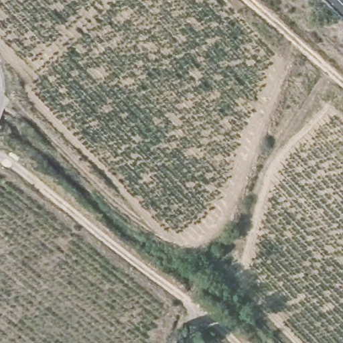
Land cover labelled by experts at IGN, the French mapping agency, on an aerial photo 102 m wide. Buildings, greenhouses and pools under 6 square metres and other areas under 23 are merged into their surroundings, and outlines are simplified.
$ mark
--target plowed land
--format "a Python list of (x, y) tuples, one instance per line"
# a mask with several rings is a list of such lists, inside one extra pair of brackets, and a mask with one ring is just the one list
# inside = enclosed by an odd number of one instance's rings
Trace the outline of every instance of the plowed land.
[(268, 190), (275, 189), (283, 180), (279, 170), (287, 165), (285, 158), (295, 153), (300, 143), (305, 143), (305, 149), (310, 149), (314, 143), (312, 137), (315, 130), (334, 117), (336, 109), (327, 102), (319, 113), (314, 114), (314, 117), (305, 123), (299, 133), (289, 139), (283, 149), (277, 153), (272, 150), (271, 157), (263, 167), (265, 176), (261, 180), (263, 186), (257, 194), (257, 201), (264, 205), (271, 197)]
[(291, 71), (293, 58), (300, 52), (285, 39), (281, 46), (271, 47), (275, 55), (268, 59), (268, 62), (273, 64), (265, 71), (267, 79), (257, 82), (265, 84), (265, 88), (257, 95), (259, 99), (256, 100), (256, 113), (247, 118), (248, 126), (240, 131), (240, 147), (226, 157), (226, 161), (234, 161), (233, 170), (228, 171), (232, 178), (222, 185), (220, 196), (212, 201), (214, 210), (210, 210), (208, 217), (202, 220), (201, 224), (190, 225), (181, 233), (174, 229), (167, 232), (163, 230), (159, 222), (153, 218), (155, 210), (142, 208), (142, 197), (131, 196), (119, 182), (123, 174), (114, 176), (109, 167), (100, 162), (98, 157), (79, 141), (80, 135), (75, 137), (74, 133), (78, 133), (79, 130), (68, 130), (48, 109), (46, 103), (35, 95), (32, 90), (35, 87), (33, 80), (46, 74), (48, 68), (33, 67), (31, 58), (20, 59), (7, 44), (0, 47), (0, 58), (11, 64), (23, 76), (25, 91), (29, 99), (35, 103), (36, 109), (42, 111), (58, 130), (83, 151), (84, 155), (87, 155), (99, 169), (105, 171), (119, 192), (141, 213), (142, 220), (145, 220), (150, 232), (162, 241), (180, 247), (206, 247), (228, 222), (232, 221), (237, 214), (241, 190), (255, 174), (260, 145), (268, 135), (265, 133), (265, 123), (269, 122), (269, 114), (275, 110), (279, 100), (281, 83)]

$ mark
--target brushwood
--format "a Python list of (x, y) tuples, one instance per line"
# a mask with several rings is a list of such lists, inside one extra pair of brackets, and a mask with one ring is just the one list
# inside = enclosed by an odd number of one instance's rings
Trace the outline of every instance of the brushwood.
[(323, 3), (320, 3), (319, 0), (260, 0), (265, 7), (275, 12), (293, 33), (343, 76), (343, 67), (319, 47), (323, 40), (316, 33), (322, 25), (335, 24), (342, 20), (338, 15), (332, 15), (330, 9), (328, 9), (326, 5), (324, 5)]

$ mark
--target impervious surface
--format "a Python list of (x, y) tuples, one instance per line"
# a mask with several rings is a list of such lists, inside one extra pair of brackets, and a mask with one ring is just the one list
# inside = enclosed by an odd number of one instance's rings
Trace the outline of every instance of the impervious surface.
[(343, 0), (319, 0), (320, 3), (323, 3), (324, 5), (326, 5), (328, 9), (330, 9), (332, 15), (338, 15), (342, 20), (343, 20)]

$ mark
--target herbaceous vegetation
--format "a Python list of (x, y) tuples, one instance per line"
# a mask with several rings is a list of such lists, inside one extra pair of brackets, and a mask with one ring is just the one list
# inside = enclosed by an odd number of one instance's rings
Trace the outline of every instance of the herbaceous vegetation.
[(11, 64), (0, 58), (0, 119), (8, 121), (12, 115), (20, 117), (20, 122), (27, 123), (40, 141), (48, 146), (46, 154), (54, 157), (66, 173), (78, 181), (88, 193), (98, 190), (111, 206), (118, 208), (150, 232), (145, 220), (142, 220), (141, 213), (119, 192), (105, 171), (99, 169), (87, 155), (84, 155), (83, 151), (58, 130), (42, 111), (36, 109), (35, 103), (29, 99), (25, 91), (23, 76)]
[(232, 221), (241, 238), (237, 238), (234, 244), (221, 245), (218, 249), (220, 256), (217, 257), (212, 269), (218, 272), (229, 291), (234, 293), (240, 285), (238, 280), (247, 280), (251, 275), (238, 263), (243, 259), (247, 234), (252, 228), (253, 209), (257, 201), (257, 194), (263, 186), (261, 180), (265, 176), (263, 167), (271, 157), (272, 150), (277, 153), (283, 149), (289, 139), (299, 133), (305, 123), (314, 117), (314, 114), (319, 113), (327, 102), (324, 96), (332, 80), (328, 78), (327, 72), (320, 70), (300, 52), (293, 58), (291, 71), (281, 83), (279, 100), (275, 110), (269, 114), (269, 122), (265, 123), (265, 133), (268, 135), (260, 145), (255, 174), (241, 190), (237, 214)]
[(111, 232), (105, 224), (96, 220), (94, 212), (83, 208), (71, 193), (58, 185), (56, 178), (35, 171), (38, 163), (32, 161), (33, 151), (27, 146), (19, 143), (15, 150), (9, 149), (7, 142), (11, 130), (5, 129), (0, 133), (0, 155), (16, 154), (24, 169), (35, 174), (44, 185), (63, 197), (64, 201), (78, 209), (88, 221), (94, 222), (103, 232)]
[(319, 47), (343, 67), (343, 20), (342, 20), (335, 24), (322, 25), (316, 33), (323, 40)]

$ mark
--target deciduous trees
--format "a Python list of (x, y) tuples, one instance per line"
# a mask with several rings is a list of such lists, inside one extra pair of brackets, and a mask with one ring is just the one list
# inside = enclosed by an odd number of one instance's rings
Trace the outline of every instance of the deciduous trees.
[(220, 256), (218, 249), (221, 245), (234, 244), (237, 238), (241, 238), (232, 221), (228, 222), (206, 247), (180, 247), (162, 241), (150, 232), (118, 208), (111, 206), (98, 190), (88, 193), (78, 181), (66, 173), (54, 157), (46, 154), (48, 146), (40, 141), (27, 123), (20, 122), (20, 117), (12, 115), (8, 121), (0, 119), (0, 133), (5, 129), (11, 130), (7, 142), (9, 149), (15, 150), (19, 143), (27, 146), (33, 151), (32, 161), (38, 163), (35, 171), (56, 178), (58, 185), (71, 193), (83, 208), (94, 212), (96, 220), (105, 224), (111, 232), (121, 238), (125, 243), (123, 247), (129, 249), (130, 253), (146, 264), (153, 265), (170, 283), (188, 293), (193, 303), (200, 304), (206, 315), (192, 319), (185, 323), (185, 338), (178, 340), (177, 343), (291, 343), (271, 320), (259, 318), (257, 315), (253, 318), (252, 308), (241, 303), (234, 293), (229, 291), (218, 272), (212, 269), (217, 257)]

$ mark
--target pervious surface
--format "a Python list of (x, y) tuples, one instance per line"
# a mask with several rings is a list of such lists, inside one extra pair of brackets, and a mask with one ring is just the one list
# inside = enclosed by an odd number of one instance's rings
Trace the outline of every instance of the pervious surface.
[(123, 259), (181, 300), (188, 310), (189, 318), (192, 319), (206, 315), (200, 304), (193, 303), (188, 293), (170, 283), (153, 265), (146, 264), (130, 253), (129, 249), (123, 247), (125, 243), (121, 238), (111, 232), (103, 232), (94, 222), (88, 221), (78, 209), (64, 201), (63, 197), (44, 185), (35, 174), (24, 169), (16, 154), (0, 155), (0, 163), (17, 171), (29, 184), (35, 185), (44, 196), (70, 213), (80, 225), (109, 245)]
[(328, 78), (332, 80), (343, 87), (343, 76), (293, 33), (275, 12), (265, 7), (260, 0), (243, 0), (249, 8), (277, 28), (285, 39), (300, 52), (320, 70), (327, 72)]

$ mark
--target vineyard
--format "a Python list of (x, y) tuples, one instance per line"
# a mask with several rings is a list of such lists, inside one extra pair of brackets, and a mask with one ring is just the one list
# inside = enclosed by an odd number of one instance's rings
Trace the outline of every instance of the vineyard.
[(305, 143), (300, 143), (295, 153), (285, 158), (287, 165), (279, 170), (283, 180), (275, 189), (268, 190), (271, 197), (264, 205), (257, 201), (253, 209), (252, 228), (247, 234), (243, 259), (238, 263), (251, 275), (247, 280), (238, 280), (240, 285), (234, 293), (241, 303), (252, 308), (253, 318), (257, 315), (259, 318), (271, 320), (291, 343), (343, 343), (343, 87), (332, 80), (324, 96), (327, 102), (336, 109), (334, 117), (315, 130), (312, 137), (314, 143), (310, 149), (305, 149)]
[(35, 185), (29, 184), (17, 171), (0, 163), (0, 343), (177, 343), (178, 340), (185, 338), (185, 323), (192, 319), (189, 318), (188, 310), (181, 300), (123, 259), (109, 245), (80, 225), (70, 213), (44, 196)]
[(240, 147), (240, 131), (248, 126), (247, 118), (256, 113), (256, 100), (259, 99), (257, 95), (265, 88), (265, 84), (257, 82), (267, 79), (265, 71), (273, 64), (268, 62), (268, 59), (275, 55), (271, 47), (281, 46), (285, 39), (277, 28), (249, 8), (243, 0), (0, 0), (0, 47), (7, 44), (20, 59), (31, 58), (33, 67), (48, 68), (46, 74), (33, 80), (35, 87), (32, 90), (35, 95), (46, 103), (48, 109), (68, 130), (79, 130), (78, 133), (74, 133), (75, 137), (80, 135), (79, 141), (98, 157), (100, 162), (109, 167), (114, 176), (123, 174), (119, 182), (131, 196), (142, 197), (142, 208), (155, 210), (153, 218), (159, 222), (163, 230), (167, 232), (174, 229), (181, 233), (190, 225), (201, 224), (202, 220), (208, 217), (210, 210), (214, 210), (212, 201), (220, 196), (222, 185), (232, 178), (228, 171), (233, 170), (234, 161), (226, 161), (226, 157)]

